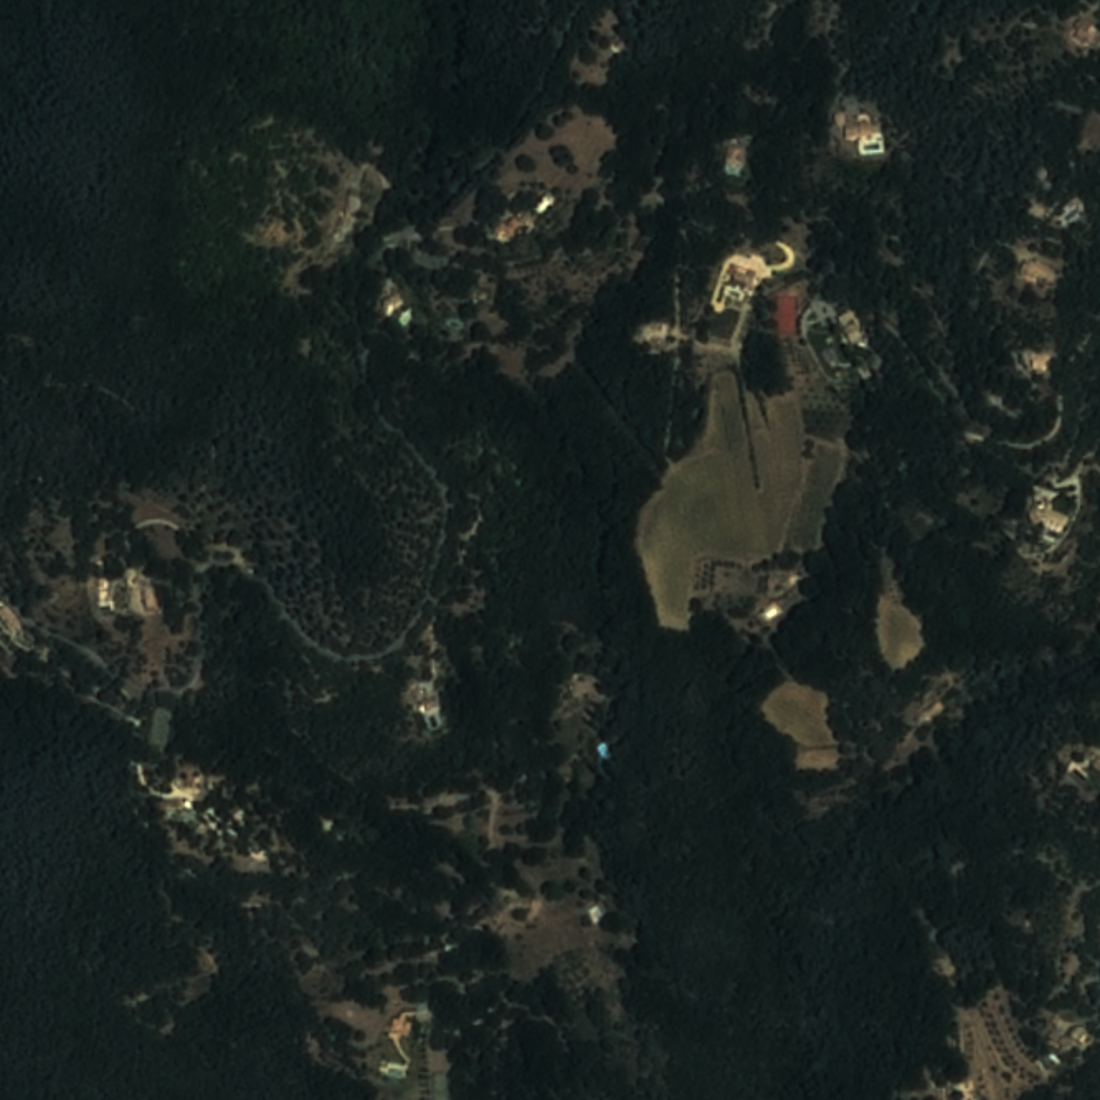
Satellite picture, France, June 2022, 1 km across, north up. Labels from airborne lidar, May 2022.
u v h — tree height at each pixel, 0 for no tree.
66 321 12
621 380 16
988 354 8
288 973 12
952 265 18
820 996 7
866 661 8
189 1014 10
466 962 12
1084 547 10
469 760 14
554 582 20
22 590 11
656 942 9
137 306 9
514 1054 10
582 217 13
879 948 14
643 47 18
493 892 19
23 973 9
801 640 21
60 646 12
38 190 13
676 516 0
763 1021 13
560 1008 14
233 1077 9
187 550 13
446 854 17
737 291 0
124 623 11
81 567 11
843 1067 12
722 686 16
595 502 15
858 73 16
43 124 14
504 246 6
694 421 7
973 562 16
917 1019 10
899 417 15
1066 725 8
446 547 9
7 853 10
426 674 10
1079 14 8
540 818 8
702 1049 8
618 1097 13
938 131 11
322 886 14
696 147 13
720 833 12
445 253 13
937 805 12
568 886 8
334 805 12
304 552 16
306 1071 12
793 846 15
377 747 7
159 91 13
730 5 11
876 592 15
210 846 7
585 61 8
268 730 7
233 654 9
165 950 13
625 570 22
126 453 15
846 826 11
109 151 14
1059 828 7
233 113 17
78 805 15
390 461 10
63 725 11
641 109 16
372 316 17
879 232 10
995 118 14
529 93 13
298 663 12
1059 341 9
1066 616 7
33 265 18
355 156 22
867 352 9
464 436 14
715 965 7
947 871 9
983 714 13
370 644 9
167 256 12
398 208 19
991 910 10
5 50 8
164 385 9
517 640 8
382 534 12
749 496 0
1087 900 11
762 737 12
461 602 14
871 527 7
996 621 10
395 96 13
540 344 12
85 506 12
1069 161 9
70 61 18
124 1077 11
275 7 14
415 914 8
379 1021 0
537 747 14
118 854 12
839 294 14
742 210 8
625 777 16
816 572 18
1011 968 10
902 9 18
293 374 14
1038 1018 8
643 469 15
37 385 14
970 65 11
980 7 19
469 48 17
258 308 17
